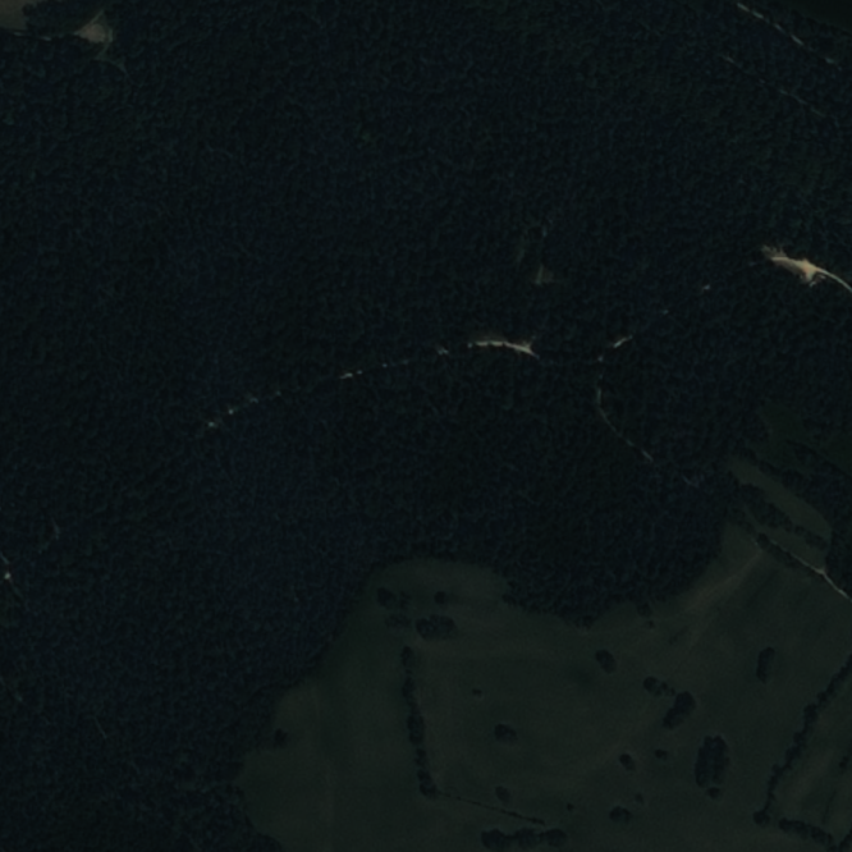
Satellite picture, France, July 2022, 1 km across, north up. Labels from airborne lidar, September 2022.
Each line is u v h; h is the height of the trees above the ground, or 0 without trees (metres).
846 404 22
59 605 27
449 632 17
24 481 19
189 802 29
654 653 0
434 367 23
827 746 0
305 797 0
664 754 8
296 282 26
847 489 21
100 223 29
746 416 19
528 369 14
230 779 24
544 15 32
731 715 0
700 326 12
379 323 17
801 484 17
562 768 0
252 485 28
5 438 20
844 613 0
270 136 20
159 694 25
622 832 0
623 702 0
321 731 0
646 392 8
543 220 14
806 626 0
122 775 8
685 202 25
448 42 20
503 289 18
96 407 25
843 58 14
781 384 22
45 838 11
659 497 7
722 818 0
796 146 35
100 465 16
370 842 0
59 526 12
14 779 24
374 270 15
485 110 17
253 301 22
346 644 0
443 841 0
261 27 19
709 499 23
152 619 23
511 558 18
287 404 14
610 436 9
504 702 0
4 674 27
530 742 0
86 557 14
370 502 26
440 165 19
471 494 13
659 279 22
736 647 0
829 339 21
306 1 25
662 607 0
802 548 0
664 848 0
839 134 27
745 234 17
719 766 21
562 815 0
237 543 11
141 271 12
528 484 16
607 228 8
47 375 15
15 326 26
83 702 27
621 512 13
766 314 22
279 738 18
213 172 16
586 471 10
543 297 23
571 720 0
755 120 31
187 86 20
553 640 0
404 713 0
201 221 12
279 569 31
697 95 27
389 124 26
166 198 23
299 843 0
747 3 19
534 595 19
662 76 30
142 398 25
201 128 20
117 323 11
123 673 14
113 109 26
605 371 16
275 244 24
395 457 30
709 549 19
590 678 0
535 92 20
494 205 10
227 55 15
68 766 15
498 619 0
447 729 0
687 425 20
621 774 0
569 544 10
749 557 0
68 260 15
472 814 0
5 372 19
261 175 29
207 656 19
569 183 8
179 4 29
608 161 18
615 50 28
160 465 24
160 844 10
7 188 23
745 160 15
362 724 0
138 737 13
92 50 7
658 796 0
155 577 15
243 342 22
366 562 27
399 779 0
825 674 0
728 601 0
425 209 25
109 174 7
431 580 0
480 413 10
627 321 26
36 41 14
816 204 25
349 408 10
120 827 6
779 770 16
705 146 22
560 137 15
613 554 12
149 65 32
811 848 0
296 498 27
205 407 19
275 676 23
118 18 10
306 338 13
